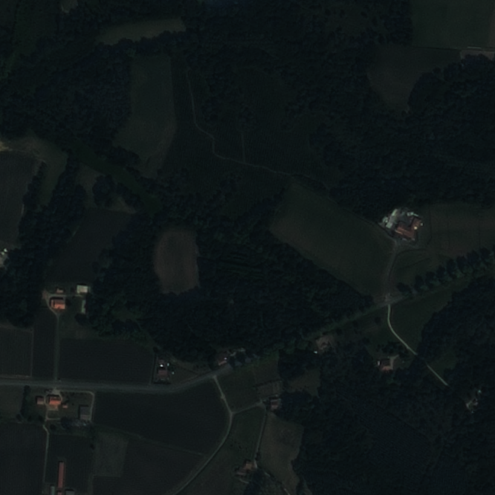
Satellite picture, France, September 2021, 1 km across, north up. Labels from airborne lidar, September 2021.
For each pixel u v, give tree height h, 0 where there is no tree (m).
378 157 14
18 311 23
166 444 0
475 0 0
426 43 0
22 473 0
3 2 0
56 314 0
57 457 0
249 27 25
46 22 0
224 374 0
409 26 17
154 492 0
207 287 20
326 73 11
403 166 20
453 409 13
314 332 22
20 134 16
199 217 19
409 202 15
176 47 22
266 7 23
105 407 0
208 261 15
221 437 0
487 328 23
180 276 0
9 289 28
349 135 6
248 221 19
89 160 0
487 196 23
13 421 0
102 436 0
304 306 19
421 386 14
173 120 0
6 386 0
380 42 15
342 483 10
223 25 25
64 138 16
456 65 9
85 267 0
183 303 19
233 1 6
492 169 0
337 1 16
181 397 0
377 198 17
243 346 10
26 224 15
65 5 0
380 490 10
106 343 0
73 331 0
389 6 14
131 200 20
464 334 27
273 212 11
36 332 0
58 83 19
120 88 22
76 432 29
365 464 9
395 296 0
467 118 19
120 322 0
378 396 10
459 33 0
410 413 17
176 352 18
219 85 25
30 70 13
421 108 16
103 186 23
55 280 0
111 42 0
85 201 9
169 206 22
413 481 10
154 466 0
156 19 9
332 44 18
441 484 12
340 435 17
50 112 22
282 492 27
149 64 0
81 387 0
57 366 0
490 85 29
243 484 0
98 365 0
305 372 24
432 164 21
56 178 0
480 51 0
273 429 0
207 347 8
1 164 0
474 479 7
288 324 19
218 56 19
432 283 22
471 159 22
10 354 0
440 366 0
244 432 0
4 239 0
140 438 0
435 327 23
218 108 18
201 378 0
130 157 16
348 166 19
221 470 0
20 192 0
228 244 24
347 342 0
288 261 18
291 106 12
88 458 0
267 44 0
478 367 24
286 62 15
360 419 10
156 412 0
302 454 9
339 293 18
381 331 0
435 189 27
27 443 0
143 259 23
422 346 13
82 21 22
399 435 8
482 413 19
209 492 0
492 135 25
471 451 16
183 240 0
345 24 0
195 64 19
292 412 23
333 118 17
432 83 26
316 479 13
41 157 0
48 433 0
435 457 6
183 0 7
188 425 0
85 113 18
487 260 25
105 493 0
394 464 12
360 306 12
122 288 28
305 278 11
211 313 16
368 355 22
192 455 0
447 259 0
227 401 0
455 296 15
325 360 10
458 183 23
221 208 6
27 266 25
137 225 25
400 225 0
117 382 0
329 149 17
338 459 8
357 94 20
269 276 9
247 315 13
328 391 10
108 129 18
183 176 17
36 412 0
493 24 0
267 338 22
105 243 0
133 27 0
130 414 0
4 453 0
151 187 23
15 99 18
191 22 20
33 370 0
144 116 0
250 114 10
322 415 20
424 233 0
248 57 22
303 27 20
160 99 0
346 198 22
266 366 0
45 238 21
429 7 0
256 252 24
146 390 0
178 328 27
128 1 26
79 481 0
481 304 22
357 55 23
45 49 22
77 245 0
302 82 20
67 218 17
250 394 0
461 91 16
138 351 0
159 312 27
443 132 20
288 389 7
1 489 0
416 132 17
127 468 0
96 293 22
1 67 23
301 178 6
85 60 16
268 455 0
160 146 0
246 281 9
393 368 0
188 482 0
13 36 9
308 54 27
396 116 6
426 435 6
